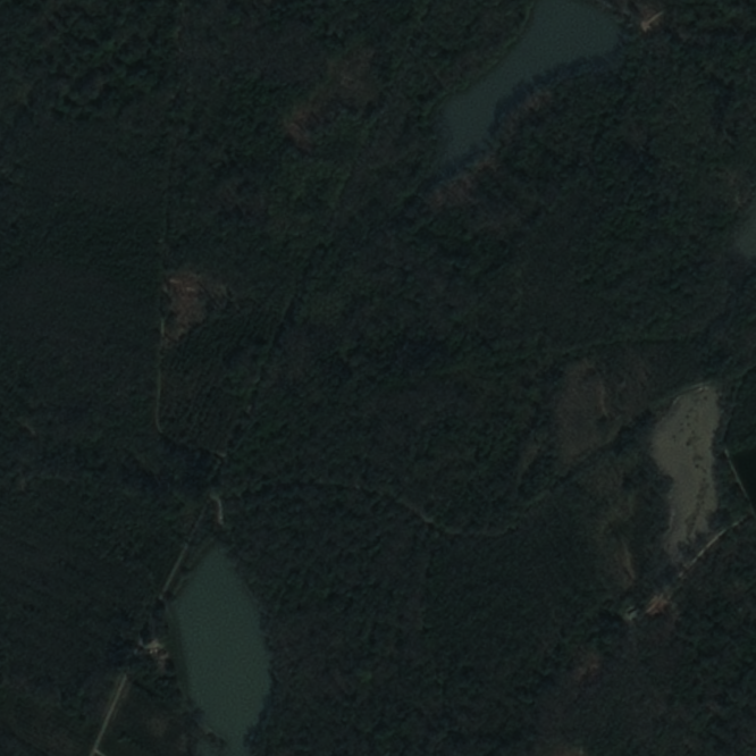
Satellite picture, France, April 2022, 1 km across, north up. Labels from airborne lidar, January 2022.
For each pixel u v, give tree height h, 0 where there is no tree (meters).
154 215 16
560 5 0
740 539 16
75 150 21
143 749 8
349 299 29
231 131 24
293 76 26
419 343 25
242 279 22
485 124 0
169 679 7
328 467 27
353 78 0
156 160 20
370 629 28
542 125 33
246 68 25
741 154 19
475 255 33
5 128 18
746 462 0
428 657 26
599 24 0
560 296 22
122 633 16
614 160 20
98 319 20
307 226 28
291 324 19
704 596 6
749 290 15
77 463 24
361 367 26
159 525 21
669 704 25
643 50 22
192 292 27
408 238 29
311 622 29
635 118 21
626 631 9
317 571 29
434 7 19
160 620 23
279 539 31
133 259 16
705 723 28
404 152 26
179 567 0
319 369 19
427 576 27
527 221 33
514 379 28
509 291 21
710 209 22
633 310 18
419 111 22
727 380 28
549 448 21
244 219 22
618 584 25
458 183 32
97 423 23
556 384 22
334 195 27
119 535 17
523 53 0
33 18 33
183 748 0
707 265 27
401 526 28
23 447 26
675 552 0
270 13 29
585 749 19
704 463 0
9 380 23
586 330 23
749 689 17
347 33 20
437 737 30
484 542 19
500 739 16
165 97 24
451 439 27
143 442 22
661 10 0
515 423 19
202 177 28
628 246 24
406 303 28
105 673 26
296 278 22
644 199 25
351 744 29
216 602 0
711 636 13
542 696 24
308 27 26
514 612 20
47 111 30
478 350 29
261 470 28
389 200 24
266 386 20
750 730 30
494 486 21
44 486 17
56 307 19
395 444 24
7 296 19
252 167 22
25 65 22
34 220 18
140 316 21
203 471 20
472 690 18
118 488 20
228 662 0
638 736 22
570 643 12
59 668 17
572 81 20
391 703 30
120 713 0
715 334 18
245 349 21
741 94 24
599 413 25
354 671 28
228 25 27
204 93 29
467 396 26
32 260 18
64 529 18
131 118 27
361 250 27
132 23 28
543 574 20
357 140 23
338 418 26
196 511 26
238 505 26
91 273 19
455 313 26
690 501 0
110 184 20
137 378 21
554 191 22
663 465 0
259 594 18
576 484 24
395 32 27
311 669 29
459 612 20
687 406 0
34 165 21
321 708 26
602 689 21
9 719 0
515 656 25
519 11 25
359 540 27
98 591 19
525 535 20
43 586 17
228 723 0
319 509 24
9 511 15
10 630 17
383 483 25
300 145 23
